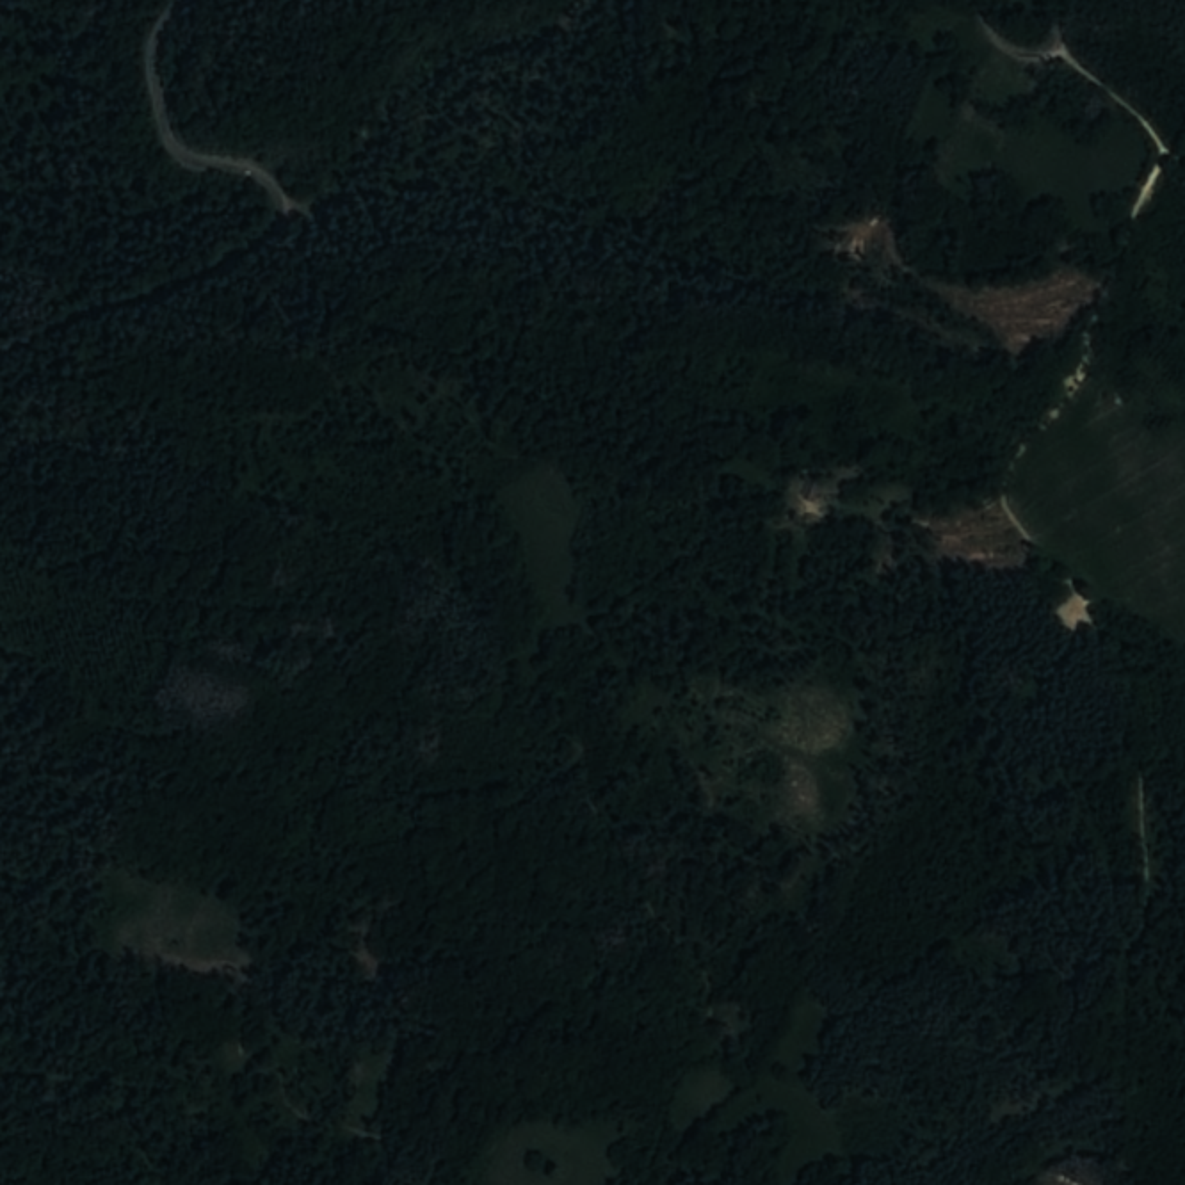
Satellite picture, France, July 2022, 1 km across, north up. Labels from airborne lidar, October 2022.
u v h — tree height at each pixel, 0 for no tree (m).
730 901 12
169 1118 24
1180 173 15
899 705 28
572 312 9
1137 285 8
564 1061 24
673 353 17
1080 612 0
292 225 30
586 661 16
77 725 6
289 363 10
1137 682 17
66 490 22
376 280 26
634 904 9
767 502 20
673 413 29
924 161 15
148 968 19
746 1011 8
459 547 18
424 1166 23
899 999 17
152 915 0
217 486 26
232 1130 9
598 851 14
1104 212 13
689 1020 19
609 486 17
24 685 25
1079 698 29
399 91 20
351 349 9
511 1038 24
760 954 16
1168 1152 9
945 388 24
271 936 22
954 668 9
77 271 28
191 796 17
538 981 28
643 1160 16
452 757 6
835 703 0
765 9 20
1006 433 17
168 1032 18
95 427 21
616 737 12
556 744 17
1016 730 0
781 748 0
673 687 16
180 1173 23
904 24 16
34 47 8
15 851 19
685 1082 15
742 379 6
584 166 11
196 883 6
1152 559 0
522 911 14
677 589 10
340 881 18
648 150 10
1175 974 19
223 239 22
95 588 16
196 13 18
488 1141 13
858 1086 19
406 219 32
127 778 17
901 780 28
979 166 0
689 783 23
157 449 18
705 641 18
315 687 13
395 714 6
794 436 25
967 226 9
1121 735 21
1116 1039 10
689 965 8
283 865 17
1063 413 21
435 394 10
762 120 22
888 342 27
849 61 11
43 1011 23
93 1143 16
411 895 18
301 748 6
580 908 10
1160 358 7
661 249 38
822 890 23
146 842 17
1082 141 15
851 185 23
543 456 8
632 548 7
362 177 36
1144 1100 6
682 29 27
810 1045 0
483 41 27
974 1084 11
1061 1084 14
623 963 16
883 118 19
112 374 11
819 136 23
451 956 12
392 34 15
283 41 14
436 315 10
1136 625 10
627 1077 13
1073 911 32
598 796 6
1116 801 11
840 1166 24
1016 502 0
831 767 0
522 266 28
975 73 9
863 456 12
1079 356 10
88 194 20
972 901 7
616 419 28
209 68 24
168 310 26
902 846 15
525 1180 0
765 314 29
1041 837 27
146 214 8
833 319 28
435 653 12
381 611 14
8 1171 13
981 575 0
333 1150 8
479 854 22
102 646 9
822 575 21
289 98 14
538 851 13
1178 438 0
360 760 15
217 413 12
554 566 0
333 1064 11
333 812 13
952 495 23
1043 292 0
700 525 7
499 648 24
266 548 24
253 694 13
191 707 19
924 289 22
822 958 19
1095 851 28
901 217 7
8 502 20
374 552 6
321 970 26
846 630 10
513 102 7
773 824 0
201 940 0
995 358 27
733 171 17
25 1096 15
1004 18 16
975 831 8
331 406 13
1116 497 0
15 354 9
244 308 23
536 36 9
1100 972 29
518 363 23
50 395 22
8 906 24
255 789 13
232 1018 19
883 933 10
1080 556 0
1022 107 17
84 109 28
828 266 22
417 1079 8
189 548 19
